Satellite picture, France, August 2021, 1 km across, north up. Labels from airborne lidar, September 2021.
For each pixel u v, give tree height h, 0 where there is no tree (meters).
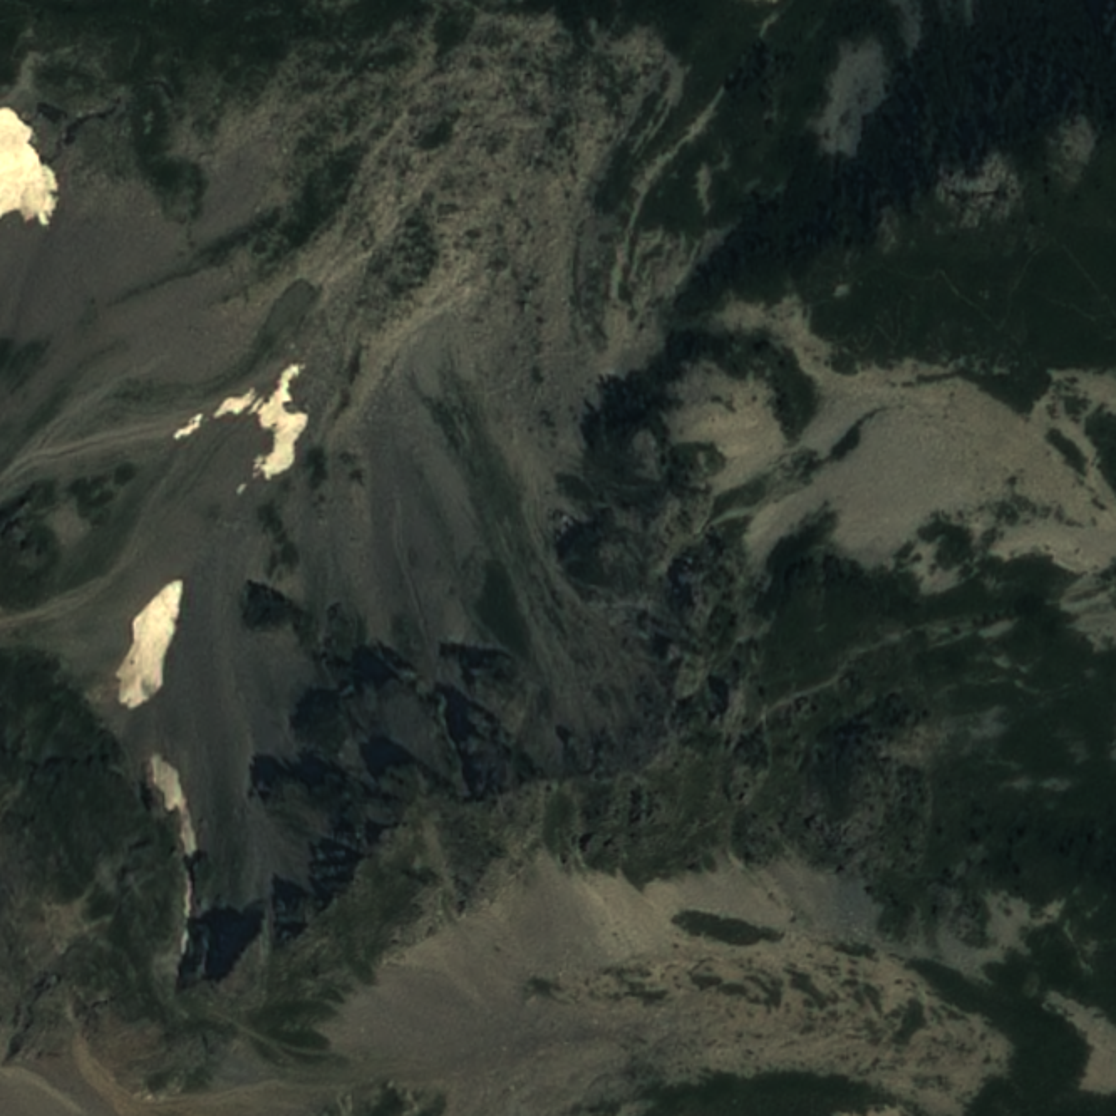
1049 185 12
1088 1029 0
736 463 0
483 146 0
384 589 0
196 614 0
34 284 0
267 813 0
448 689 0
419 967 0
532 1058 0
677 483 7
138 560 0
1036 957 0
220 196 0
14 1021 0
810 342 0
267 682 0
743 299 0
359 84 0
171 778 0
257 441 0
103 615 0
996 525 0
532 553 0
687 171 0
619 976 0
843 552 0
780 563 6
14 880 0
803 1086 0
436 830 0
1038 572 0
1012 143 11
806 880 0
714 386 0
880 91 0
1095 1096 0
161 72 0
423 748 0
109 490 0
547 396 0
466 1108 0
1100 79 6
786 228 6
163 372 0
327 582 0
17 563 0
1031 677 0
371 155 0
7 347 0
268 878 0
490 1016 0
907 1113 0
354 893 0
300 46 0
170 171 0
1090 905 0
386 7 0
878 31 6
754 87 11
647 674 0
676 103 0
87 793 0
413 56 0
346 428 0
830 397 0
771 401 0
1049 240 0
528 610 0
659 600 0
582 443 0
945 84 5
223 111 0
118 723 0
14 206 0
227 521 0
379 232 0
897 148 6
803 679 0
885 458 0
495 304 0
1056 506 0
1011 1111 0
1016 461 0
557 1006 0
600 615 0
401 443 0
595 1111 0
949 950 0
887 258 0
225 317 0
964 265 0
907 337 0
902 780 8
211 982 0
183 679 0
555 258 0
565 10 8
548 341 0
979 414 0
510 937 0
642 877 0
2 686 0
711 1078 0
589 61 0
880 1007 0
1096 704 0
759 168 0
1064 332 0
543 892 0
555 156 0
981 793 0
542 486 0
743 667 8
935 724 0
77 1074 0
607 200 0
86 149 0
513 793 0
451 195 0
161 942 0
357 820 0
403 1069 0
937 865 0
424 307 0
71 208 0
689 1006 0
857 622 0
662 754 0
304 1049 0
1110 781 0
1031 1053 0
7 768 0
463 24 0
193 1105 0
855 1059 0
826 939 0
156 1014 0
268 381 0
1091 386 0
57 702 0
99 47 0
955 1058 0
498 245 0
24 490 0
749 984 0
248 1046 0
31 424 0
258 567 0
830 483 0
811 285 0
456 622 0
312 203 0
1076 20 6
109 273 0
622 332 0
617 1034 0
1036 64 7
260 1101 0
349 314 0
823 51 0
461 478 0
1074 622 0
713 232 0
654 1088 0
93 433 0
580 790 0
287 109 0
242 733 0
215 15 0
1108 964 0
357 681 0
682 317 0
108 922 0
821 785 0
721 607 7
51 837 0
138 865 0
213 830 0
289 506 0
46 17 0
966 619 0
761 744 8
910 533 0
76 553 0
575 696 0
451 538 0
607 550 0
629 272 0
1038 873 0
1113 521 0
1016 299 0
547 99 0
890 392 0
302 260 0
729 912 0
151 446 0
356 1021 0
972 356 0
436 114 0
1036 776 0
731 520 0
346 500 0
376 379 0
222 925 0
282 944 0
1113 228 0
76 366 0
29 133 0
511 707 0
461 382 0
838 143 0
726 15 0
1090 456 0
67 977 0
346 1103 0
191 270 0
